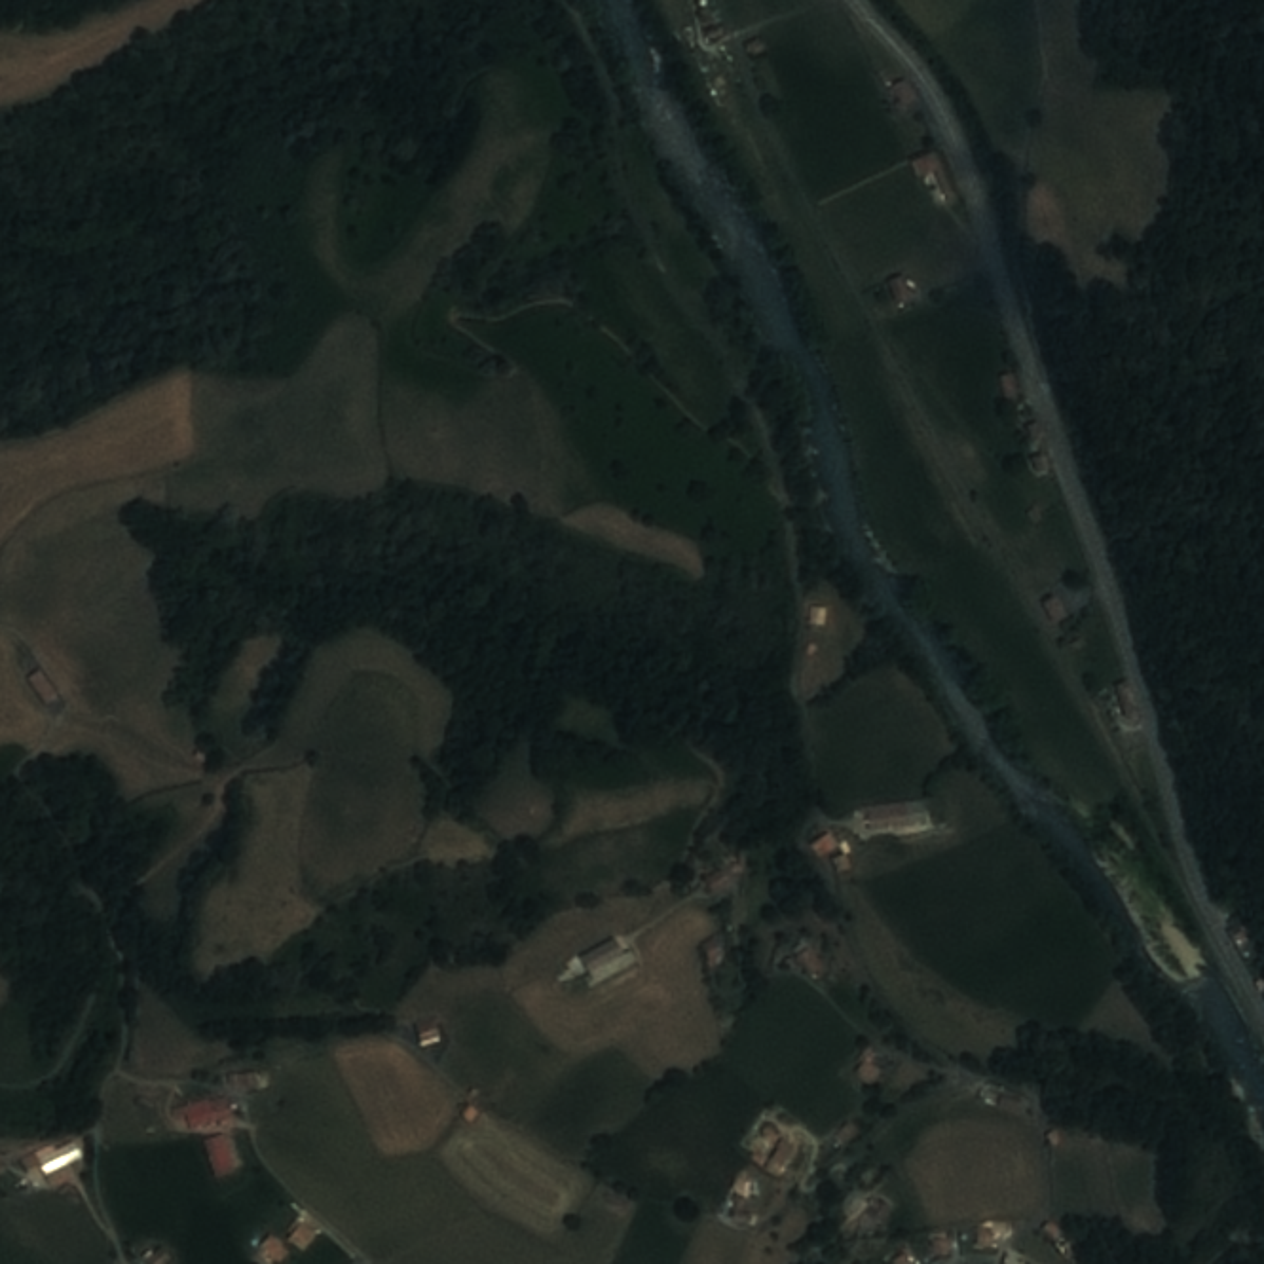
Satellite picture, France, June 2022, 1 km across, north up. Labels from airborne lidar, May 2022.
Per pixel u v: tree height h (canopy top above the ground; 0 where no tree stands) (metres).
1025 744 25
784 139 0
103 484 0
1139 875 0
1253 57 12
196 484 0
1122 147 0
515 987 0
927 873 0
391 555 14
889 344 0
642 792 0
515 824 0
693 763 0
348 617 24
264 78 29
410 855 0
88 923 19
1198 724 17
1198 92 8
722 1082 0
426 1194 0
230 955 0
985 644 0
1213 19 11
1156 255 18
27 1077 0
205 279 8
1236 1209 18
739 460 11
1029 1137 0
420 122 20
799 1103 0
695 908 0
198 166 15
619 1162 0
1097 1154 0
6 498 0
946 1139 0
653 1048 0
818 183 0
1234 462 9
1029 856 0
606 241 11
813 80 0
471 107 11
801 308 26
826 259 0
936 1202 0
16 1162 0
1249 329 12
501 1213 0
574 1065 0
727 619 8
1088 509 0
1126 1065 22
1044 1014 0
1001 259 0
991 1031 0
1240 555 9
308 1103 0
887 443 0
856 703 0
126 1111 0
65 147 14
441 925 16
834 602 0
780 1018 0
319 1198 0
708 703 14
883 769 0
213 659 18
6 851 6
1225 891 19
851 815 0
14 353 26
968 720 0
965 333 0
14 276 17
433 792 11
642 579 9
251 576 24
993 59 0
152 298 20
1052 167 0
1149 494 6
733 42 0
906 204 0
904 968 0
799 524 19
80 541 0
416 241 0
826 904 16
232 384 0
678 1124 0
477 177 0
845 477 0
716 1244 0
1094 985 0
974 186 0
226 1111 0
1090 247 0
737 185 13
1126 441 15
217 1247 0
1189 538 9
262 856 0
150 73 25
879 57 0
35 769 15
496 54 14
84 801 21
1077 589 15
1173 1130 22
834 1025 0
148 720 0
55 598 0
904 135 0
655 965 0
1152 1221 0
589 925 0
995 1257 0
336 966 12
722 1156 0
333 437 0
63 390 14
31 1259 0
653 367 13
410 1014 0
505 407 0
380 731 0
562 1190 0
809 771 29
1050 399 0
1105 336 17
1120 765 0
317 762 9
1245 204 14
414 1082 0
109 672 0
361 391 0
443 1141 0
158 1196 0
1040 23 0
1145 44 11
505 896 17
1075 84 0
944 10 0
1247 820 25
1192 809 17
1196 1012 19
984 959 0
